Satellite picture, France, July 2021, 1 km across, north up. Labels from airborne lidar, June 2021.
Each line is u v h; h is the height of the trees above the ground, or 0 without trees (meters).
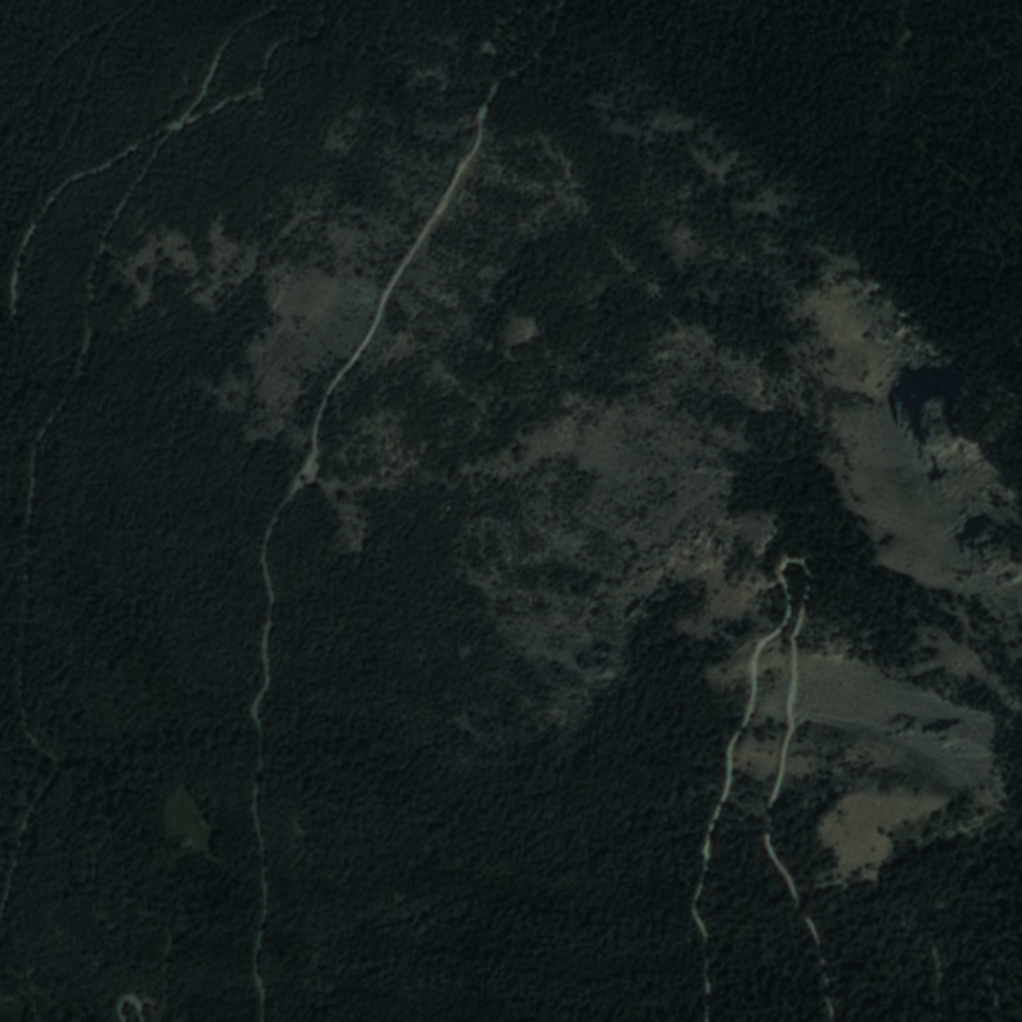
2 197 9
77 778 12
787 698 0
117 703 10
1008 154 24
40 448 7
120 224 6
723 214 10
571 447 0
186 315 7
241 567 6
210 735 14
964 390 6
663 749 16
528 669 6
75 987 10
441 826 12
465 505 7
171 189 6
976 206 13
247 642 7
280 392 0
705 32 21
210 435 7
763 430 8
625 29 12
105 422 10
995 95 28
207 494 6
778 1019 9
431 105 7
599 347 7
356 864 6
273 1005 15
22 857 11
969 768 0
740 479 10
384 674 7
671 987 13
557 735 7
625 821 10
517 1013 7
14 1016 0
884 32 21
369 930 8
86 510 6
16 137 6
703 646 10
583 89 8
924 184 23
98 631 7
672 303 9
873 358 0
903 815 0
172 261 10
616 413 0
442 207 0
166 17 9
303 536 6
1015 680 6
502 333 7
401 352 0
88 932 7
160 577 10
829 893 9
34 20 6
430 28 7
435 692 7
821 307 0
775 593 5
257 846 7
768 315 17
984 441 7
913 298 20
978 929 12
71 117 11
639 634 5
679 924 10
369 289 0
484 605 6
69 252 7
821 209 10
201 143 7
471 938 9
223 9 13
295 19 14
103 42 7
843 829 0
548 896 9
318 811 8
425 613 7
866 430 0
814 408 6
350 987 6
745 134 17
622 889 6
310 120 11
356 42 6
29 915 8
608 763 12
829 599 9
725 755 11
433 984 13
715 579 0
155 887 10
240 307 5
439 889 8
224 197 8
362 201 7
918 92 16
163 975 8
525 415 6
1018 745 9
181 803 0
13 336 8
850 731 0
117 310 8
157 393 10
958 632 9
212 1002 9
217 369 7
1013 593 0
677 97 9
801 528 21
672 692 12
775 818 9
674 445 0
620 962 8
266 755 10
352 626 5
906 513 0
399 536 6
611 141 11
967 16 21
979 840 8
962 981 11
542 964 8
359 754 13
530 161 6
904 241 19
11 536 14
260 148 9
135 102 8
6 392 13
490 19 11
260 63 9
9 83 11
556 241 10
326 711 7
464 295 5
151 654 15
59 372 10
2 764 13
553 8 8
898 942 9
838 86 25
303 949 7
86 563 9
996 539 8
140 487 8
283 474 6
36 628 10
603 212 12
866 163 21
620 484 0
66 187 7
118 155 8
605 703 7
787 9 19
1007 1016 12
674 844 10
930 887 8
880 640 6
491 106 9
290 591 6
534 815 9
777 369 7
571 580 7
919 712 0
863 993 12
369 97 8
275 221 6
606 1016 6
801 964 11
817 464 21
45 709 8
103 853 8
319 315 0
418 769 9
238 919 9
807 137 14
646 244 11
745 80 15
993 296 26
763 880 6
